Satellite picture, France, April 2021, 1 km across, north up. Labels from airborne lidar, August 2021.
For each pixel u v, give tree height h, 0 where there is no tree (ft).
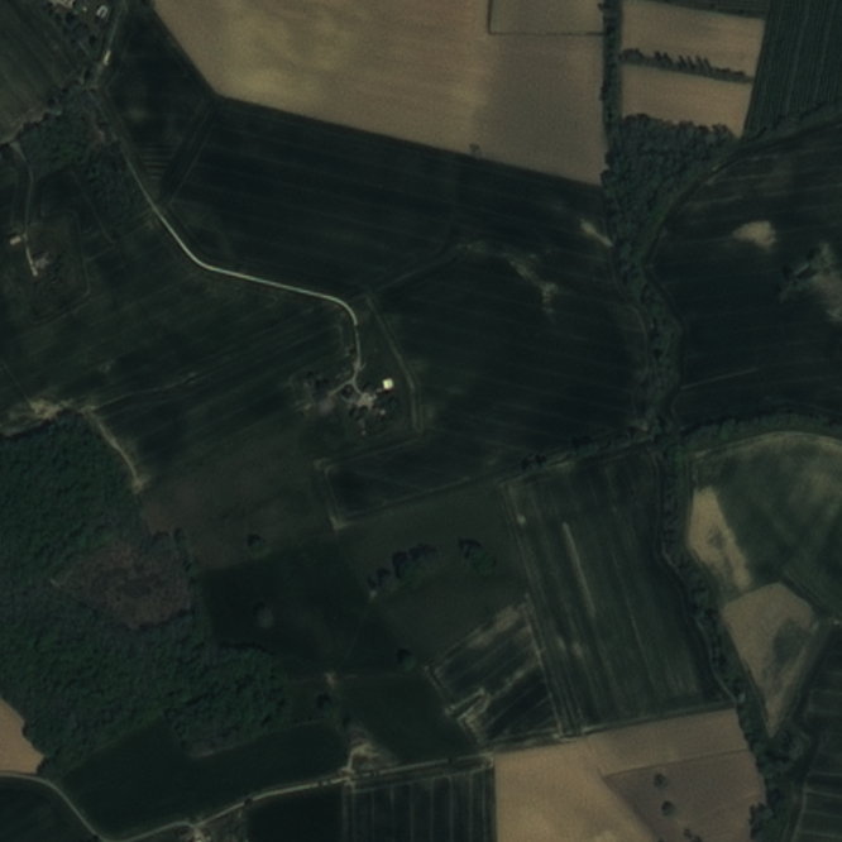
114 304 0
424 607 0
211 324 0
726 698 0
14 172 0
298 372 0
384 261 0
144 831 0
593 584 0
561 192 0
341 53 0
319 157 0
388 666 0
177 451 0
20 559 50
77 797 0
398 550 0
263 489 0
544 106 0
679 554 43
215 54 0
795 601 0
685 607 0
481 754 0
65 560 34
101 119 58
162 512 0
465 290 0
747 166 0
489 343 0
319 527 0
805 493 0
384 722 0
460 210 0
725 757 0
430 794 0
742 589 0
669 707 0
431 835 0
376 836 0
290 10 0
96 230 0
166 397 0
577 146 0
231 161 0
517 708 0
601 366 0
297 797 0
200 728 70
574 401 0
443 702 0
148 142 0
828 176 0
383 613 0
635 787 0
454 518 0
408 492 0
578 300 0
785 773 90
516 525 0
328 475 0
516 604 0
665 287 0
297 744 0
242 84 0
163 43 0
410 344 0
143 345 0
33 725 42
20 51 0
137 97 0
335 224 0
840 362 0
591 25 0
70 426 56
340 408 0
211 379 0
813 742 0
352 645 0
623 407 0
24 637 73
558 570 0
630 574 0
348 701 0
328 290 0
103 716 47
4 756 0
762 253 0
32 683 70
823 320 0
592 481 0
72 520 54
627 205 45
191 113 0
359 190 0
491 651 0
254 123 0
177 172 0
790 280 64
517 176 0
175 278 0
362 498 0
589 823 0
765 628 0
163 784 0
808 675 0
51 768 49
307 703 0
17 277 0
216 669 74
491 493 0
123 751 0
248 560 0
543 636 0
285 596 0
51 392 0
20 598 55
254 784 0
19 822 0
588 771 0
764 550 0
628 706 0
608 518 0
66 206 0
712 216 0
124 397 0
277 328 0
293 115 0
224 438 0
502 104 0
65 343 0
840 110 40
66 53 0
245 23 0
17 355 0
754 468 0
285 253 0
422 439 0
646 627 0
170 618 23
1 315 0
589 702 0
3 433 0
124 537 46
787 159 0
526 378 0
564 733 0
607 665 0
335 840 0
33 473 77
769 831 37
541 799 0
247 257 0
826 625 0
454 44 0
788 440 0
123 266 0
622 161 58
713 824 0
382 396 29
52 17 28
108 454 59
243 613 0
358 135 0
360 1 0
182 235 0
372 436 0
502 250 0
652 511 0
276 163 0
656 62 26
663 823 0
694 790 0
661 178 74
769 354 0
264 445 0
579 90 0
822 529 0
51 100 0
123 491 53
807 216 0
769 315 0
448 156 0
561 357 0
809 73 19
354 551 0
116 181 20
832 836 0
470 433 0
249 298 0
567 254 0
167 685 76
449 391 0
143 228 0
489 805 0
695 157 50
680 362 0
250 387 0
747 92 0
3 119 0
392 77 0
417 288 0
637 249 58
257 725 66
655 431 34
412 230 0
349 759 24
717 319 0
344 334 0
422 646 0
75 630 63
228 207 0
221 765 0
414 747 0
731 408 0
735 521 0
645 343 0
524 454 0
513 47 0
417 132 0
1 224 0
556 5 0
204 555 0
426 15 0
